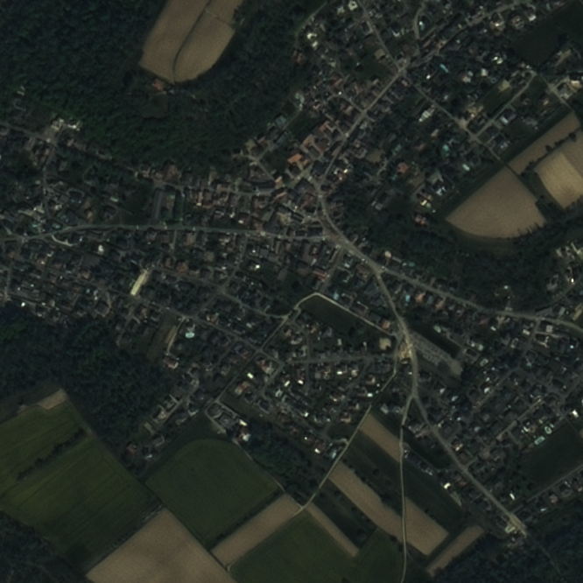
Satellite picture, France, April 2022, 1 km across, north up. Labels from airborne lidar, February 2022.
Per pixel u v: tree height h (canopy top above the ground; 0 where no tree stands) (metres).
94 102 17
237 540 0
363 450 0
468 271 21
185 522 0
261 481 0
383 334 0
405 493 0
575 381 0
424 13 0
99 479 0
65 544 0
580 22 0
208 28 0
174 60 0
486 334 0
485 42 13
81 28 31
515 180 0
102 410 17
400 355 0
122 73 0
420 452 0
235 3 0
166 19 0
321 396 0
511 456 15
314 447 0
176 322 0
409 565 0
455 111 8
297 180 0
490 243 0
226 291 0
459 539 0
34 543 26
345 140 0
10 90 19
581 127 0
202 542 0
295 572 0
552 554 23
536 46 0
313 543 0
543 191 0
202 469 0
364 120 0
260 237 0
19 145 10
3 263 11
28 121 8
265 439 14
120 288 10
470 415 9
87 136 12
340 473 0
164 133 13
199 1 0
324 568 0
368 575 0
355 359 0
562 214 14
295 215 0
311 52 15
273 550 0
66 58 27
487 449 0
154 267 0
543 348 0
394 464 0
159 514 0
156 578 0
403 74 0
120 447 11
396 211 0
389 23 7
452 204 0
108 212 0
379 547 0
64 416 0
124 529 0
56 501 0
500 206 0
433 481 0
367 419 0
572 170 0
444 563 0
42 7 26
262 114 22
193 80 0
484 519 0
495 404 0
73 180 0
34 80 20
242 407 0
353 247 0
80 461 0
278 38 23
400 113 8
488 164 10
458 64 9
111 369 31
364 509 0
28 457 0
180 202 12
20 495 0
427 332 0
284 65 23
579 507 11
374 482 0
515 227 0
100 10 16
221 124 10
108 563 0
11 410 0
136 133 14
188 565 0
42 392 0
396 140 9
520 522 0
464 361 0
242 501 0
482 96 6
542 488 0
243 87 23
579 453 0
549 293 8
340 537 0
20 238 0
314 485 12
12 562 24
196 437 0
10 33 27
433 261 10
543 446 0
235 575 0
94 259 0
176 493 0
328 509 0
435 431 0
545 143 0
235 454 0
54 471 0
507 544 0
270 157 0
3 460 0
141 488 0
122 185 10
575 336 0
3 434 0
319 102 0
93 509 0
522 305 18
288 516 0
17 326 28
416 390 0
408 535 0
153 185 13
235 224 10
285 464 22
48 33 32
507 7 0
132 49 27
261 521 0
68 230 0
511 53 15
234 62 19
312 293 0
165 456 0
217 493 0
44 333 28
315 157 0
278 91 19
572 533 22
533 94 0
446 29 6
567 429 0
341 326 0
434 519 5
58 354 26
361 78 0
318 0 0
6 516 19
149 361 23
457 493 0
